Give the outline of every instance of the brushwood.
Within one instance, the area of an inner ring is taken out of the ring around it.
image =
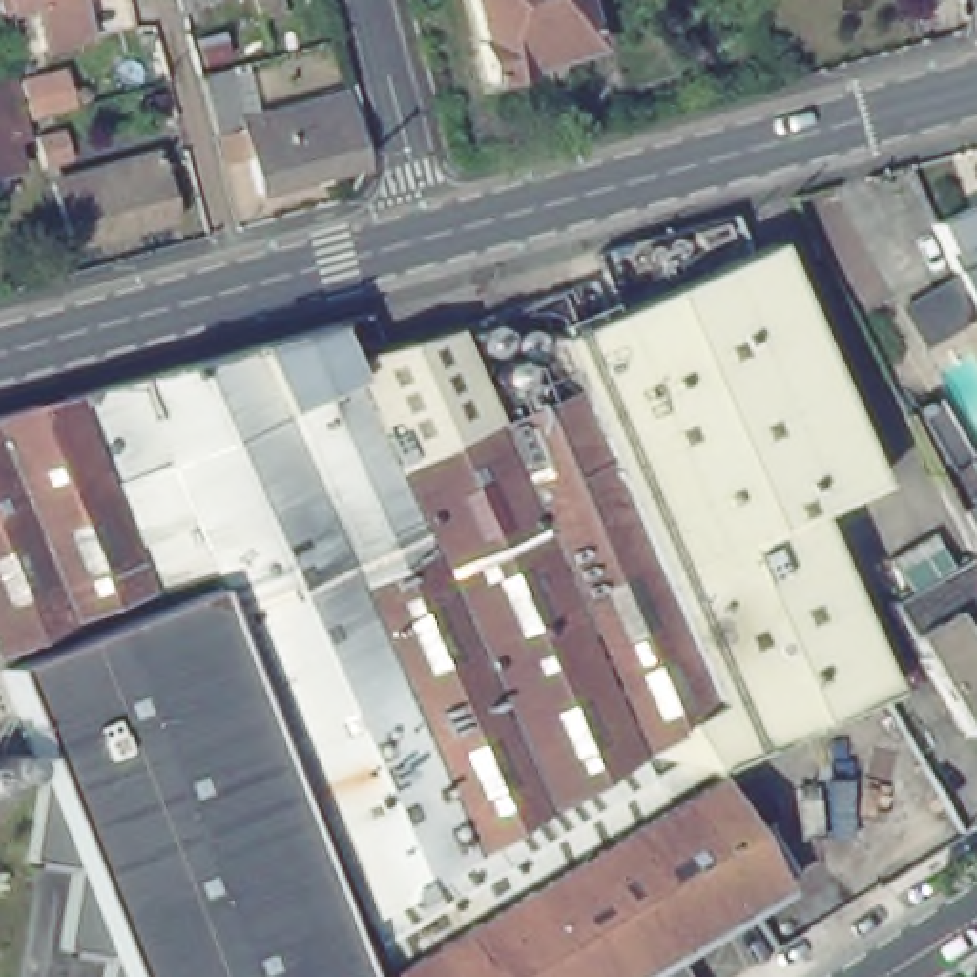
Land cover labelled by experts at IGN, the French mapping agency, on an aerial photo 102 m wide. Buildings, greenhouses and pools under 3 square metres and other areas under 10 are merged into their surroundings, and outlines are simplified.
[[[504,145],[469,145],[462,118],[473,111],[473,92],[452,80],[429,0],[412,0],[408,23],[420,65],[427,73],[443,153],[458,172],[492,172],[504,183],[515,183],[523,168]]]
[[[294,0],[286,31],[298,34],[298,42],[309,53],[336,57],[340,88],[355,84],[343,19],[332,0]]]

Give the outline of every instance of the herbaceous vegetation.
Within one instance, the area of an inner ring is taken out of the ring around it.
[[[63,227],[57,202],[46,191],[46,168],[38,160],[27,168],[27,179],[15,187],[15,195],[0,183],[0,256],[4,237],[11,237],[11,229],[46,229],[61,244],[73,271],[114,267],[107,252],[99,252],[84,233]]]
[[[538,111],[530,122],[504,122],[496,114],[496,92],[481,80],[473,53],[473,0],[429,0],[452,80],[473,92],[473,111],[462,118],[469,145],[504,145],[523,168],[561,156],[557,111]]]
[[[817,73],[893,53],[893,42],[931,23],[939,0],[782,0],[775,8],[775,23],[794,31],[817,53]]]
[[[576,111],[584,111],[588,118],[607,114],[611,107],[656,103],[649,88],[679,84],[679,53],[660,34],[645,38],[641,57],[630,61],[618,61],[618,46],[592,61],[603,80],[580,88]]]
[[[69,73],[80,107],[88,107],[92,114],[122,111],[122,126],[114,130],[111,149],[84,145],[73,153],[73,160],[61,164],[69,176],[160,153],[172,168],[176,195],[183,202],[179,225],[172,233],[198,229],[195,191],[183,168],[179,141],[160,137],[160,122],[176,107],[176,92],[160,80],[168,73],[168,61],[160,42],[141,38],[141,31],[134,27],[107,34],[76,57],[31,53],[23,61],[27,80]]]
[[[298,34],[286,31],[294,0],[210,0],[202,8],[202,23],[210,23],[218,34],[237,38],[248,53],[260,53],[260,46],[267,42],[267,19],[282,34],[286,50],[294,50],[298,42]]]
[[[859,301],[851,309],[851,321],[863,332],[863,343],[882,382],[893,385],[897,363],[904,359],[904,336],[889,305],[866,309]]]
[[[0,977],[19,977],[31,882],[38,866],[27,863],[27,840],[38,794],[27,790],[19,801],[0,798]]]

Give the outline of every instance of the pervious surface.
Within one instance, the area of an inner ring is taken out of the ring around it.
[[[195,38],[218,34],[210,23],[202,23],[202,8],[210,0],[130,0],[134,27],[141,31],[141,38],[160,42],[168,61],[168,73],[160,80],[176,92],[176,107],[160,122],[160,137],[179,141],[183,168],[195,191],[198,229],[218,221],[225,225],[237,214],[229,168],[221,139],[206,76]]]

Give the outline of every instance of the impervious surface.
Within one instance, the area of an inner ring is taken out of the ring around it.
[[[92,15],[107,23],[107,34],[134,27],[130,0],[88,0]]]
[[[202,576],[168,588],[149,603],[76,626],[73,634],[34,653],[23,653],[23,672],[107,634],[118,634],[126,626],[137,626],[145,618],[156,618],[164,611],[176,611],[183,603],[195,603],[202,595],[225,592],[221,576]]]
[[[939,492],[950,481],[927,439],[924,408],[943,405],[946,370],[966,359],[977,363],[977,332],[966,328],[943,343],[927,343],[912,321],[908,298],[912,290],[946,271],[954,275],[962,294],[977,290],[977,252],[962,256],[958,248],[954,256],[943,256],[943,244],[935,237],[939,221],[920,187],[920,176],[927,176],[931,164],[939,176],[958,176],[966,191],[958,202],[962,214],[977,218],[977,0],[939,0],[931,23],[893,42],[893,53],[817,73],[798,88],[748,99],[729,111],[702,111],[645,134],[599,141],[592,164],[561,156],[523,168],[515,183],[504,183],[492,172],[458,172],[443,153],[427,73],[420,65],[408,23],[412,0],[332,0],[343,19],[355,84],[363,126],[374,149],[374,164],[359,183],[340,179],[336,187],[298,183],[286,191],[271,191],[263,183],[260,156],[229,168],[237,214],[225,225],[218,221],[198,229],[172,233],[153,233],[141,244],[107,252],[114,267],[73,271],[65,282],[53,282],[50,294],[38,301],[31,294],[0,298],[0,416],[15,416],[69,397],[107,393],[145,378],[195,370],[198,363],[237,359],[328,328],[351,328],[366,359],[382,359],[389,351],[416,347],[454,332],[473,336],[511,328],[523,336],[565,336],[561,321],[527,313],[527,301],[519,294],[565,279],[584,279],[592,290],[614,290],[626,263],[611,263],[611,252],[645,240],[668,248],[733,218],[744,218],[748,237],[763,256],[794,248],[828,321],[828,332],[843,355],[843,366],[859,389],[859,401],[870,416],[870,427],[882,443],[882,454],[893,469],[893,492],[840,515],[840,534],[878,614],[878,626],[893,649],[893,660],[904,676],[904,687],[851,714],[836,733],[775,744],[763,763],[737,771],[737,786],[756,805],[763,824],[775,832],[801,893],[786,912],[771,916],[756,931],[744,931],[744,939],[714,950],[706,962],[695,962],[695,977],[977,977],[977,889],[954,901],[931,901],[931,874],[946,866],[950,855],[969,855],[977,847],[977,733],[958,733],[954,717],[946,714],[927,668],[920,664],[912,637],[897,618],[897,584],[889,576],[893,561],[927,542],[943,542],[954,565],[966,561],[958,534],[946,527],[946,515],[939,508]],[[863,343],[863,332],[851,321],[851,309],[859,301],[866,309],[889,305],[904,336],[904,359],[897,363],[893,385],[882,382]]]
[[[298,42],[294,50],[286,50],[282,61],[271,69],[240,69],[206,76],[221,139],[248,130],[248,114],[256,114],[260,107],[286,111],[324,99],[340,88],[336,57],[309,53]]]
[[[103,977],[103,966],[76,958],[73,950],[61,950],[69,878],[46,874],[38,866],[31,882],[19,977]]]

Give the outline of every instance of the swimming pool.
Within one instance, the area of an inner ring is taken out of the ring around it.
[[[943,405],[950,405],[962,427],[977,439],[977,363],[966,359],[946,370]]]

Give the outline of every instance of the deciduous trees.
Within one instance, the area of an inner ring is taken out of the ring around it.
[[[962,214],[958,202],[966,191],[958,176],[939,176],[931,164],[927,176],[920,176],[920,187],[939,221],[954,221]]]
[[[0,15],[0,80],[27,80],[23,61],[31,53],[27,23]]]
[[[954,901],[977,889],[977,847],[969,855],[950,855],[946,866],[931,874],[931,901]]]
[[[46,229],[11,229],[11,237],[4,237],[0,256],[0,298],[31,294],[38,301],[50,294],[53,282],[65,282],[73,271],[61,244]]]
[[[282,61],[286,50],[282,34],[267,19],[267,42],[260,46],[260,53],[248,53],[240,69],[271,69]]]
[[[775,23],[775,8],[782,0],[622,0],[618,31],[611,31],[618,46],[618,61],[630,61],[641,57],[645,38],[660,34],[679,53],[679,84],[649,88],[656,103],[611,107],[607,114],[588,118],[584,111],[576,111],[580,88],[603,80],[592,61],[569,69],[569,76],[546,76],[530,88],[496,92],[496,114],[504,122],[530,122],[538,111],[557,111],[561,156],[592,164],[599,141],[645,134],[702,111],[729,111],[748,99],[798,88],[817,73],[817,53],[794,31]]]
[[[53,118],[69,137],[73,153],[84,145],[111,149],[114,130],[122,126],[122,111],[92,114],[88,107],[80,107]]]

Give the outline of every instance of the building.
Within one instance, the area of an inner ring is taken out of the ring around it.
[[[31,53],[76,57],[107,34],[107,23],[92,15],[88,0],[0,0],[0,15],[27,23]]]
[[[76,958],[103,966],[103,977],[695,977],[695,962],[706,962],[714,950],[744,939],[744,931],[756,931],[771,916],[786,912],[801,893],[775,832],[763,824],[756,805],[737,786],[737,771],[763,763],[775,744],[836,733],[851,714],[904,687],[904,676],[893,660],[893,649],[878,626],[878,614],[840,534],[840,515],[893,492],[893,469],[882,454],[882,443],[870,427],[870,416],[859,401],[859,389],[843,366],[843,355],[828,332],[828,321],[794,248],[763,256],[748,237],[744,218],[733,218],[668,248],[645,240],[611,252],[611,263],[626,263],[614,290],[592,290],[584,279],[565,279],[519,294],[527,301],[527,313],[561,321],[565,336],[523,336],[511,328],[473,336],[454,332],[416,347],[389,351],[382,359],[366,359],[351,328],[328,328],[237,359],[198,363],[195,370],[145,378],[107,393],[69,397],[15,416],[0,416],[0,798],[19,801],[27,790],[38,794],[27,840],[27,863],[38,866],[46,874],[69,878],[61,950],[73,950]],[[195,603],[183,603],[176,611],[164,611],[156,618],[145,618],[137,626],[126,626],[118,634],[107,634],[23,672],[23,653],[34,653],[73,634],[76,626],[149,603],[168,588],[202,576],[221,576],[225,592],[202,595]]]
[[[958,534],[966,561],[954,565],[943,542],[927,542],[893,561],[889,576],[897,584],[897,618],[912,637],[920,664],[927,668],[946,714],[954,717],[958,733],[977,733],[977,439],[962,427],[950,405],[943,405],[924,408],[927,439],[950,481],[939,492],[939,508],[946,515],[946,527]]]
[[[363,126],[355,84],[340,88],[324,99],[286,111],[260,107],[256,114],[248,114],[248,130],[221,139],[229,168],[260,156],[263,183],[271,191],[286,191],[298,183],[336,187],[340,179],[359,183],[374,164],[374,149]]]
[[[237,38],[218,34],[195,38],[206,76],[240,69],[248,53]]]
[[[618,46],[611,31],[618,31],[622,0],[473,0],[473,53],[481,80],[496,92],[530,88],[546,76],[569,76],[569,69],[592,61]]]
[[[946,271],[912,290],[908,298],[912,321],[927,343],[943,343],[966,328],[977,332],[977,290],[962,294],[954,275]]]
[[[172,233],[179,225],[183,202],[176,195],[172,168],[160,153],[69,176],[61,164],[73,160],[73,153],[69,137],[53,118],[80,107],[69,73],[27,80],[0,80],[0,183],[15,195],[15,187],[27,179],[27,168],[38,160],[46,168],[46,191],[57,202],[63,227],[84,233],[99,252],[107,252],[141,244],[153,233]]]
[[[962,214],[954,221],[939,221],[935,237],[943,244],[943,256],[954,256],[958,248],[962,256],[977,252],[977,218]]]

